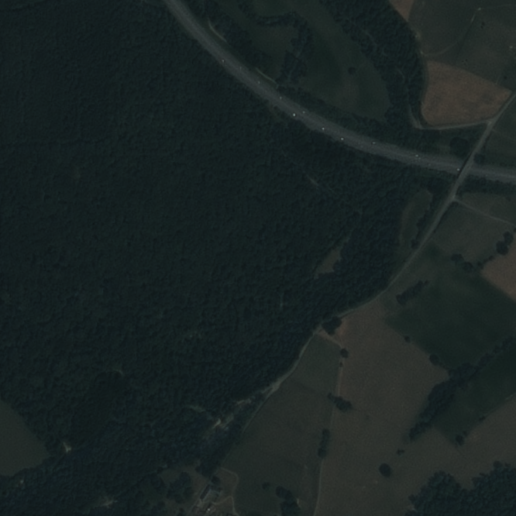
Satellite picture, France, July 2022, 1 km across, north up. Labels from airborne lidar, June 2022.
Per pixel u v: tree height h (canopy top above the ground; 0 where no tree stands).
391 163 17
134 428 25
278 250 21
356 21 18
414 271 0
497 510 22
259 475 0
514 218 0
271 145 16
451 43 0
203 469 18
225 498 0
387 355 0
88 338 20
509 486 24
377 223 29
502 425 0
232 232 32
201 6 7
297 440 0
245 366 7
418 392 0
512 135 0
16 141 14
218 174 32
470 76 0
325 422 0
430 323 0
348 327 0
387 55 13
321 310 14
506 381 0
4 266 30
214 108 31
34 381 25
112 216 25
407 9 0
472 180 7
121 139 29
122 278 31
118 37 27
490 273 0
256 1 0
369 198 22
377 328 0
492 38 0
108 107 22
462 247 0
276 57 0
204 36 0
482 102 0
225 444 24
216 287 22
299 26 13
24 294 29
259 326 29
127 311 26
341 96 0
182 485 23
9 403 11
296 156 19
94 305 26
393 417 0
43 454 0
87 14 22
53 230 27
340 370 0
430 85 0
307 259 28
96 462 32
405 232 0
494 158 0
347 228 20
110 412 11
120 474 29
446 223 0
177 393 29
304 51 24
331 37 0
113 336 26
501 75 0
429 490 24
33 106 15
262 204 33
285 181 29
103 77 21
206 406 25
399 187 25
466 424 0
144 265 30
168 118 32
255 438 0
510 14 0
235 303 28
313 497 0
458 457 0
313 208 28
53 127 21
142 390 26
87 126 19
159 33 32
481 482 22
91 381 14
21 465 0
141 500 21
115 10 26
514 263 0
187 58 29
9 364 26
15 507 26
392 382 0
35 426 22
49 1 21
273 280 29
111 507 15
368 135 7
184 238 29
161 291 24
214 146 31
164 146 29
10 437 0
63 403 19
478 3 0
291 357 6
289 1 0
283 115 11
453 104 0
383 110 0
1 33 23
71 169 28
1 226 23
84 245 26
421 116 11
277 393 0
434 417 21
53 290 27
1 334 33
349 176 9
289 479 0
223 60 0
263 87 0
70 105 18
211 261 26
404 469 0
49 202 26
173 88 33
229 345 16
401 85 21
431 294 0
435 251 0
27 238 29
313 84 0
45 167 26
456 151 17
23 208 30
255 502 0
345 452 0
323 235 31
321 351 0
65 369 17
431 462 0
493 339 0
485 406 0
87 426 14
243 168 33
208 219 33
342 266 29
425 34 0
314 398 0
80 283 24
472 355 0
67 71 19
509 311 0
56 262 8
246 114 30
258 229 23
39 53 21
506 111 0
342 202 7
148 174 28
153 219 28
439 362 6
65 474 22
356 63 0
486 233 0
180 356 35
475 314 0
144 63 30
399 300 14
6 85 16
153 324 27
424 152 10
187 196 34
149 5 21
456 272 0
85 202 24
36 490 24
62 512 33
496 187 9
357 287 23
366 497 0
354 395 0
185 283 32
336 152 17
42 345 28
